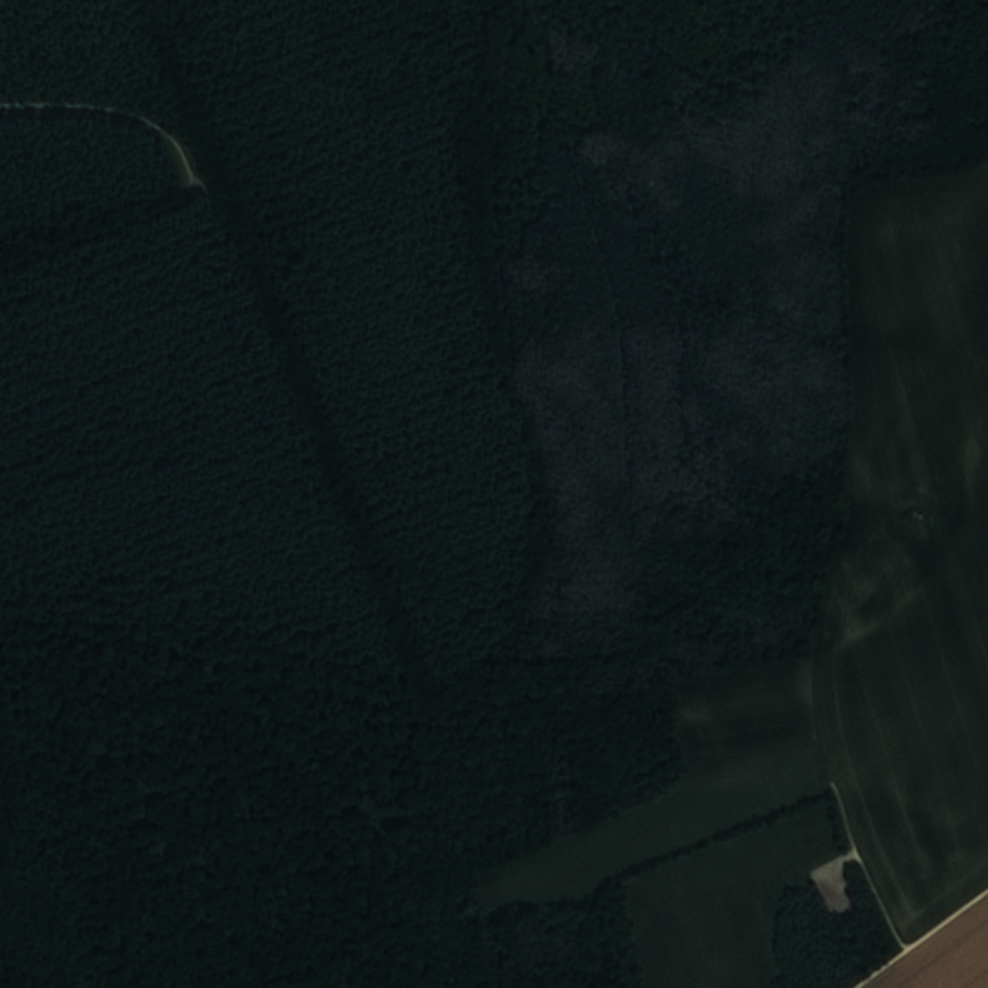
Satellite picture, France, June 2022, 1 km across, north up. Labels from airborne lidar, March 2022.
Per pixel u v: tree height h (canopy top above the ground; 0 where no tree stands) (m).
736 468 24
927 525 0
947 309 0
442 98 21
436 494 23
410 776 16
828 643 0
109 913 17
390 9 21
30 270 23
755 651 17
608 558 22
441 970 21
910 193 0
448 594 20
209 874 21
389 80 20
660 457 17
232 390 25
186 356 22
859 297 0
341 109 28
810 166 17
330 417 23
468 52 21
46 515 20
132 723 25
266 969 17
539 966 18
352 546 20
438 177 20
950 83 14
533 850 16
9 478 21
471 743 25
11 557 22
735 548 24
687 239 21
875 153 19
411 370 25
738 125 17
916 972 0
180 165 0
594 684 20
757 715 0
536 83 9
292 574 21
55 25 13
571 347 18
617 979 20
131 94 19
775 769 0
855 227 0
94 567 17
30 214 18
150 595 24
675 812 0
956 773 0
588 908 15
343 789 26
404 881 20
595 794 19
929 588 0
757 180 18
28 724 17
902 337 0
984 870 0
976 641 0
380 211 21
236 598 24
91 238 21
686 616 15
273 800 14
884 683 0
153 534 22
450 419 26
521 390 23
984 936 0
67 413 20
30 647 22
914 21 21
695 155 19
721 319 19
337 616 22
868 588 0
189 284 21
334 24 21
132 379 18
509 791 23
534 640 20
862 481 0
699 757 0
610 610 22
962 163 15
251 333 25
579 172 18
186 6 21
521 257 22
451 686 23
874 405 0
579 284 17
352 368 24
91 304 21
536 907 12
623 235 21
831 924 17
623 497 19
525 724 21
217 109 20
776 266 17
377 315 23
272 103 25
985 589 0
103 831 17
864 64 20
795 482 20
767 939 0
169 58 18
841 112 20
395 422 27
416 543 22
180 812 18
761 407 16
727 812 0
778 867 0
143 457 23
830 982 18
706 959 0
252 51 23
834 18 22
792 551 22
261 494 23
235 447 19
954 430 0
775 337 19
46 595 22
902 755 0
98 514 21
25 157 20
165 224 22
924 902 0
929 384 0
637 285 23
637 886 0
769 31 11
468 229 18
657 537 20
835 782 0
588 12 15
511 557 21
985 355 0
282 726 21
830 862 0
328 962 21
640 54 14
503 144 19
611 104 18
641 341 19
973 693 0
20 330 17
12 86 15
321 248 23
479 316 22
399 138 27
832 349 18
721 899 0
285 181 24
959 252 0
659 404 20
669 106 20
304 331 22
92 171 21
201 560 26
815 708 0
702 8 0
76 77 18
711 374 19
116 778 21
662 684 23
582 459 20
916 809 0
